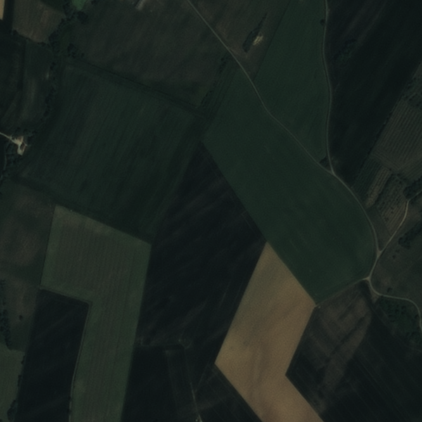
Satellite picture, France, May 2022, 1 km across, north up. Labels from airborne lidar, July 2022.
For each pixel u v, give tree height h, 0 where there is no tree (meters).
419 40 0
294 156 0
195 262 0
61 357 0
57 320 0
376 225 0
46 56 0
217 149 0
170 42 0
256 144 0
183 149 0
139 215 0
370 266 0
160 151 0
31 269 0
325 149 0
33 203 0
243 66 0
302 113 0
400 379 0
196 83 0
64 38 0
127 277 0
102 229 0
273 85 0
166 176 0
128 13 0
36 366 0
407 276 0
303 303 0
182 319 0
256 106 0
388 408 0
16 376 0
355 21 0
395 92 0
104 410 0
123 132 0
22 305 0
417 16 0
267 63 0
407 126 0
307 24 0
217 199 0
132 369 0
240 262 0
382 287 0
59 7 0
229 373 0
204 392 0
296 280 0
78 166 0
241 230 0
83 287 0
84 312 0
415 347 0
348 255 0
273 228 0
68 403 0
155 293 0
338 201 0
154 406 0
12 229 0
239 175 0
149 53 0
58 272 0
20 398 0
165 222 0
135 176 0
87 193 0
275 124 0
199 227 0
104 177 0
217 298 0
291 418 0
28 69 0
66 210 0
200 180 0
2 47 0
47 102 17
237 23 0
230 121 0
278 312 0
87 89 0
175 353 0
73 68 0
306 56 0
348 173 0
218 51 0
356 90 0
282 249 0
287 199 0
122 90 0
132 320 0
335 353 0
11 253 0
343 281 0
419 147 0
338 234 0
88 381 0
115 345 0
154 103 0
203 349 0
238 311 0
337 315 0
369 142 0
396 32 0
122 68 0
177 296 0
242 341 0
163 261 0
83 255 0
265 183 0
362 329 0
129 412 0
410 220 0
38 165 0
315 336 0
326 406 0
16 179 0
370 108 0
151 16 0
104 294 0
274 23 0
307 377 0
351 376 0
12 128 0
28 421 0
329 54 0
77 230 0
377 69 0
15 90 0
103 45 0
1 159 0
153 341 0
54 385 0
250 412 0
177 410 0
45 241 0
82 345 0
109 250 0
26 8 0
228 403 0
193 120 0
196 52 0
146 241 0
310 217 0
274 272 0
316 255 0
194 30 0
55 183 0
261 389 0
